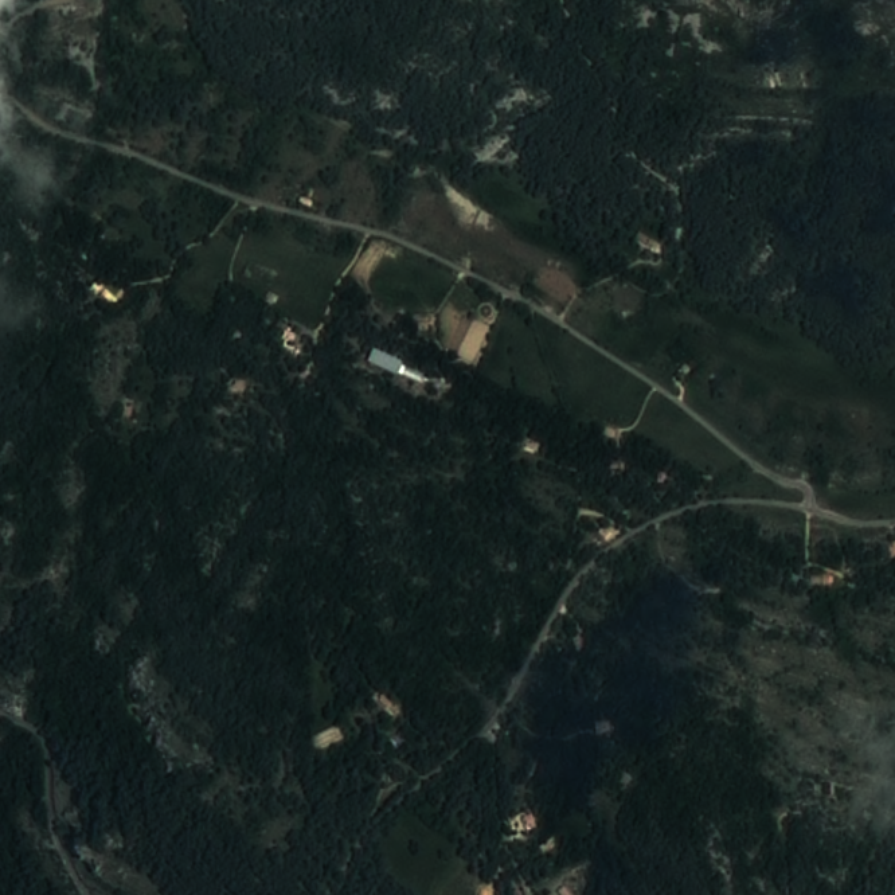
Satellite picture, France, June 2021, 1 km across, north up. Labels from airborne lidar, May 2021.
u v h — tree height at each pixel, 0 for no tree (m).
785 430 0
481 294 8
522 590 9
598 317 0
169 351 7
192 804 12
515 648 13
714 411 0
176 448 11
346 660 15
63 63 6
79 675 23
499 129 7
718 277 13
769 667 0
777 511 0
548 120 15
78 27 0
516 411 11
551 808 9
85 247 8
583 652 8
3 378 13
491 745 11
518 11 10
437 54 6
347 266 0
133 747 17
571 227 12
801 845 10
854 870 11
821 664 0
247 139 12
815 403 0
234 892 15
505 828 9
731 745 7
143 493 9
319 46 15
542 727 9
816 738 0
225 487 5
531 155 13
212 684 14
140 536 6
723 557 9
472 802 17
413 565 12
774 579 9
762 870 8
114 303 7
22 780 11
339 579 9
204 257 0
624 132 11
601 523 12
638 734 9
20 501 9
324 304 0
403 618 9
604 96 15
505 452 7
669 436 0
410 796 13
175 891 19
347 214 0
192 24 14
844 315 13
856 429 0
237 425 10
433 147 7
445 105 12
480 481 7
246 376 9
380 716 9
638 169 14
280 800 11
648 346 0
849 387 0
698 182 13
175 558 12
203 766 6
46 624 12
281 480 12
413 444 7
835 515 0
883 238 13
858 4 0
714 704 6
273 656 13
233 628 12
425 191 0
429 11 11
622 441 7
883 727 9
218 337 14
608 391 0
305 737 14
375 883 15
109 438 10
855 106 7
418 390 0
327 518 7
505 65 9
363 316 7
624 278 10
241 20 13
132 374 7
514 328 0
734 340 0
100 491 14
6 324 9
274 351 5
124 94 8
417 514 10
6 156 8
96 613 10
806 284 11
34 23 9
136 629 10
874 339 8
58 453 6
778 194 8
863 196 13
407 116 10
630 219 9
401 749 8
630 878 13
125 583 7
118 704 19
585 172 14
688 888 17
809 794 6
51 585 11
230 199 8
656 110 10
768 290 10
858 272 10
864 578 8
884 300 11
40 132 7
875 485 0
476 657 7
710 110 9
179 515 13
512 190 0
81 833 10
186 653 13
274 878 19
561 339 0
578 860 11
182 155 6
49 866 0
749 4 0
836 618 9
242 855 25
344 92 8
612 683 8
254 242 0
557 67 12
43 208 6
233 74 14
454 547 10
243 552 10
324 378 13
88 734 15
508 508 17
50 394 15
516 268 0
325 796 15
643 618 7
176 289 8
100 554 10
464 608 6
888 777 10
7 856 7
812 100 0
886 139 7
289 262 0
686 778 9
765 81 0
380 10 13
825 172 10
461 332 0
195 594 12
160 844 17
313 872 21
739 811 8
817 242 12
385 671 11
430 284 0
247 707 9
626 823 12
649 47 12
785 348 0
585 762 15
